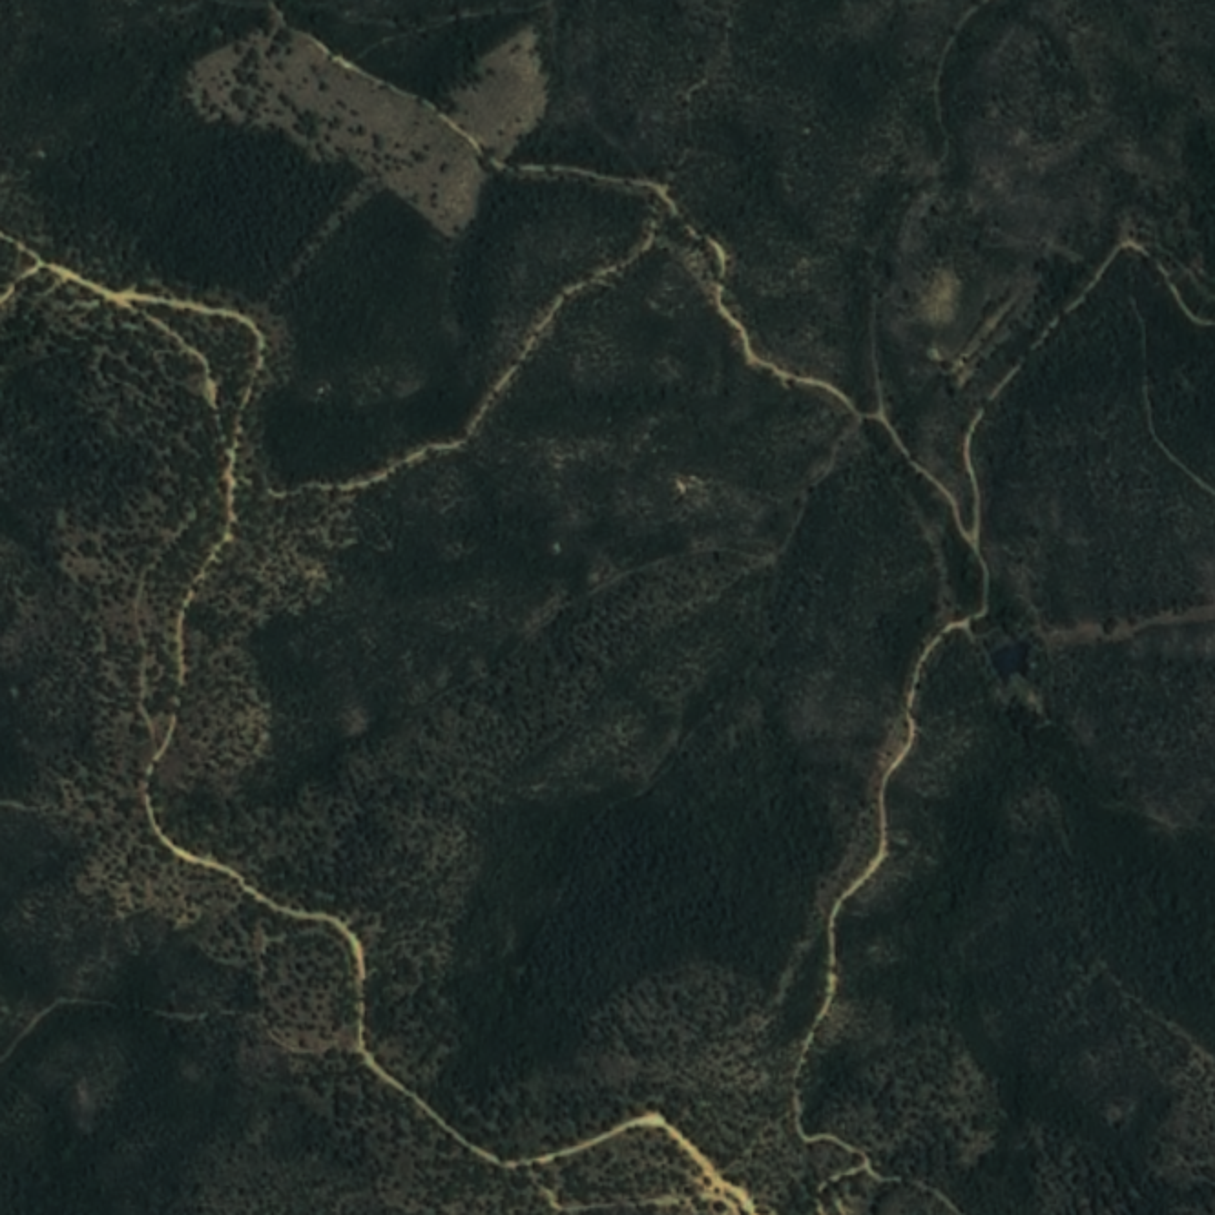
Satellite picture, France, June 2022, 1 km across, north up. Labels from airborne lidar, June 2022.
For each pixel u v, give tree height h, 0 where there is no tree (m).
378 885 6
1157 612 6
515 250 7
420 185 0
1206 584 0
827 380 0
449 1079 11
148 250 7
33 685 6
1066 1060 7
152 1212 6
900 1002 6
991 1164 16
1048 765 7
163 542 6
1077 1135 10
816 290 6
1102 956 7
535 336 6
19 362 0
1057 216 0
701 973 0
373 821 11
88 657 6
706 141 8
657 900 10
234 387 7
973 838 11
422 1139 7
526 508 9
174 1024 7
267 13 9
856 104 8
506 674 10
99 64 12
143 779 8
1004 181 0
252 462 8
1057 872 8
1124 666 9
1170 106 6
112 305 6
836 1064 14
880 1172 11
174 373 7
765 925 7
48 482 6
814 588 9
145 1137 8
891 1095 10
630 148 0
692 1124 8
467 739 9
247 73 6
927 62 7
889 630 12
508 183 8
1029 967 7
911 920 10
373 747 8
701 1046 8
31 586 7
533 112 0
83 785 6
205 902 7
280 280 6
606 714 7
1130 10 6
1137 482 8
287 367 6
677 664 7
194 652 9
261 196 12
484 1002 9
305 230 10
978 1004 9
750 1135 8
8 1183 7
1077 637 0
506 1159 9
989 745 8
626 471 7
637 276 7
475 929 9
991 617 10
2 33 5
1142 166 0
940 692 8
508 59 0
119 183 9
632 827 11
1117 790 9
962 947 8
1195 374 11
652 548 10
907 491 5
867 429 7
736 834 7
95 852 6
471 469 7
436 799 10
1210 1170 9
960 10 0
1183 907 13
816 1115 9
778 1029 6
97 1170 9
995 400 7
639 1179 8
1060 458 6
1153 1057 8
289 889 7
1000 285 0
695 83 7
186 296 7
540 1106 9
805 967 7
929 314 0
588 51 0
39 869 7
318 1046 0
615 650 10
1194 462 6
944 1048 7
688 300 0
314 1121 6
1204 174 7
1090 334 8
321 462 6
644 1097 6
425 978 8
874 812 7
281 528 6
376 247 7
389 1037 6
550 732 10
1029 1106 9
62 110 5
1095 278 6
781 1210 7
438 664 8
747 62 6
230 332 7
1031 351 8
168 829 8
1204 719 7
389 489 10
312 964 8
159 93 8
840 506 6
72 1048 0
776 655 9
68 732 6
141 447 10
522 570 7
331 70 0
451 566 8
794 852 9
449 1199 7
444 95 13
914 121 7
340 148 8
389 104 0
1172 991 10
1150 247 8
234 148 11
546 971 11
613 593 7
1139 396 7
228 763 7
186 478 7
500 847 11
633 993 10
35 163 8
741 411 0
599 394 8
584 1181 8
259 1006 9
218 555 8
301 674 9
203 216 9
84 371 8
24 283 7
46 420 8
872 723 0
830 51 6
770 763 7
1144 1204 12
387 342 6
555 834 10
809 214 6
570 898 9
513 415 7
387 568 9
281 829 7
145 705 7
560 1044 8
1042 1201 8
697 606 7
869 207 11
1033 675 10
